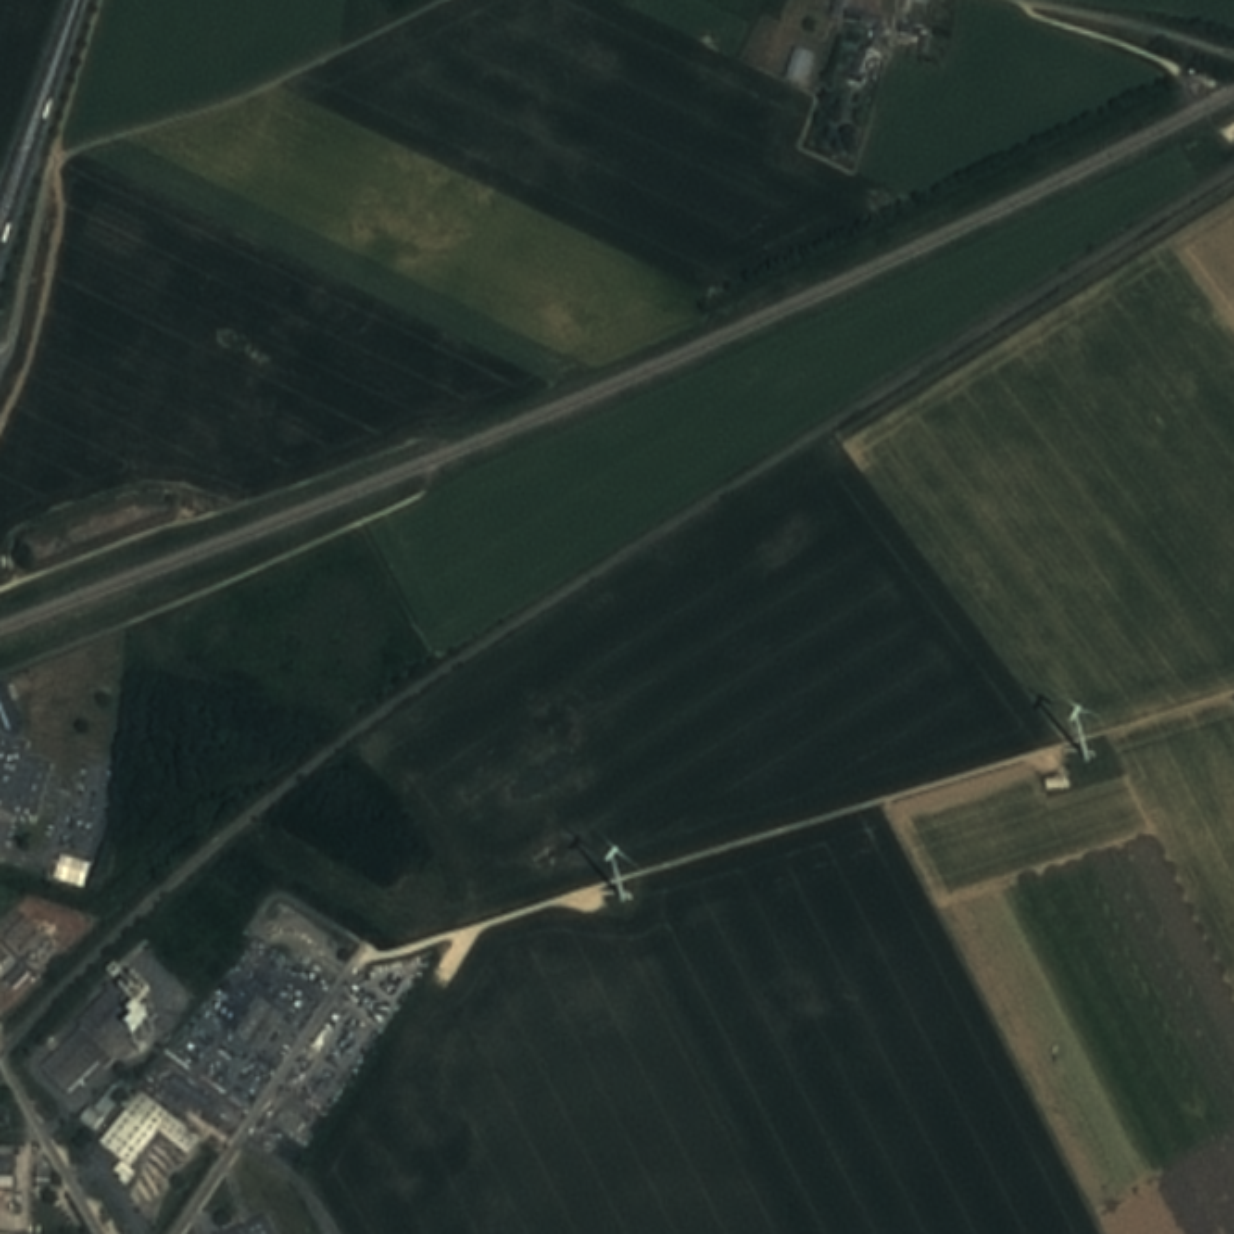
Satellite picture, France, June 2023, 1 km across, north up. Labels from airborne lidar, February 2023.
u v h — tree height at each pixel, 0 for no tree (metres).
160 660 0
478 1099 0
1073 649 0
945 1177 0
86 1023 0
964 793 0
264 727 15
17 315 0
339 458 0
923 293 0
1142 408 0
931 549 0
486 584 0
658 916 0
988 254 0
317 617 0
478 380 0
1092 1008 0
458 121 0
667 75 0
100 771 0
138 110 0
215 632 0
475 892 0
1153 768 0
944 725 0
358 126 0
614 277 0
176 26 0
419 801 0
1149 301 0
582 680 0
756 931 0
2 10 0
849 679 0
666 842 0
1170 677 0
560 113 0
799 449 0
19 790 0
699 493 0
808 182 0
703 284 0
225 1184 0
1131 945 0
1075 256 0
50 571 0
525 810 0
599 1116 0
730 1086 0
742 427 0
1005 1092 0
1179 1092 0
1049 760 0
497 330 0
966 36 0
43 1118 0
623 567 0
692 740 0
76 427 0
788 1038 0
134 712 15
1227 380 0
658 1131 0
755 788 0
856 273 0
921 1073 0
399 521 0
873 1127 0
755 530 0
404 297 0
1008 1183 0
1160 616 0
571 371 0
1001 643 0
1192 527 0
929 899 0
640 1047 0
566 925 0
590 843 0
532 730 0
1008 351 0
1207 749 0
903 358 0
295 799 10
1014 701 0
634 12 0
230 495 0
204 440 0
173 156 0
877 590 0
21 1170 0
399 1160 0
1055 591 0
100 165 0
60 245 0
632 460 0
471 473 0
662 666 0
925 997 0
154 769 16
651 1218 0
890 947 0
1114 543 0
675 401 0
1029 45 0
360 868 12
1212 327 0
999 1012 0
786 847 0
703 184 0
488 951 0
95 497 0
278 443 0
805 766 0
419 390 0
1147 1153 0
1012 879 0
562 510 0
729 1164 0
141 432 0
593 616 0
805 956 0
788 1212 0
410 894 0
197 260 0
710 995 0
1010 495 0
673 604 0
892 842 0
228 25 0
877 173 0
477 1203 0
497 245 0
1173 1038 0
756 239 0
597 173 0
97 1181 0
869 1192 0
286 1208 0
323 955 0
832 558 0
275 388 0
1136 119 0
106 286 0
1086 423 0
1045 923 0
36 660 0
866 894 0
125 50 0
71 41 0
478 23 0
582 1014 0
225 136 0
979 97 0
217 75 0
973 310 0
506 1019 0
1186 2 0
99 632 0
